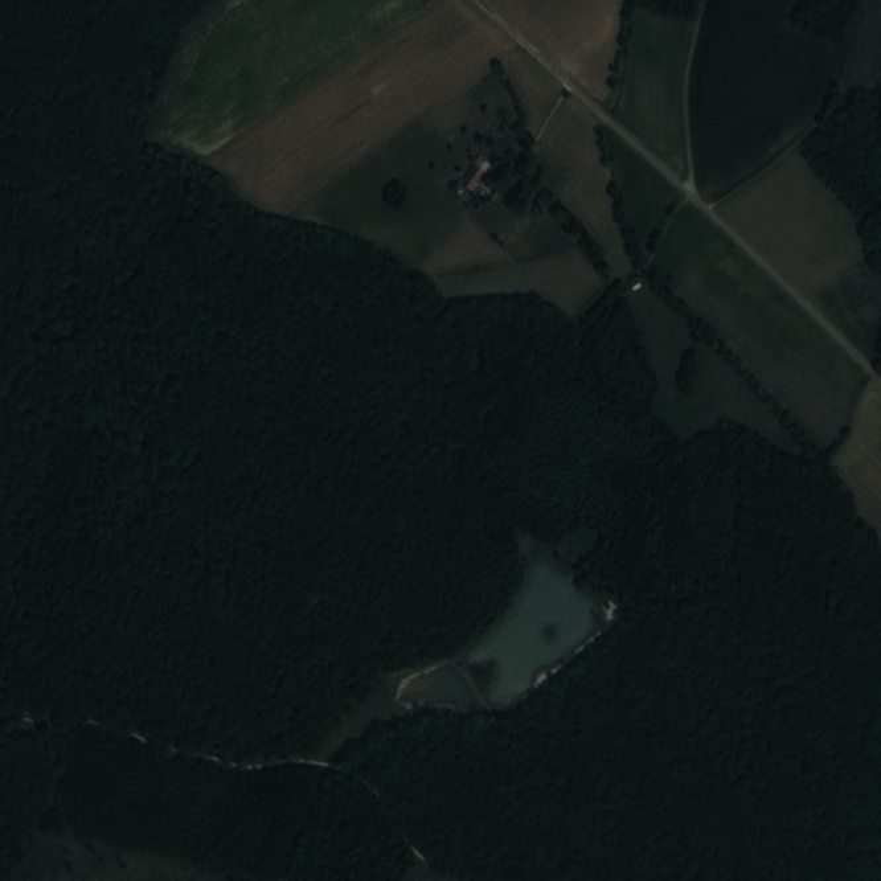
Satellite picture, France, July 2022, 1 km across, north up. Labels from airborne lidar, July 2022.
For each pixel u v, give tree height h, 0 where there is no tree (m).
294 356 15
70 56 24
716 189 0
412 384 25
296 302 19
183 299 19
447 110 0
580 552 0
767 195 0
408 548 25
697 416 0
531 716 21
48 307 27
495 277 0
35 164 24
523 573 19
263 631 24
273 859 6
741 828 20
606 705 20
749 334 0
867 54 0
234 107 0
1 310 20
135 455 13
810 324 0
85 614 20
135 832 7
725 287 0
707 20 0
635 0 13
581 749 19
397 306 22
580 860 26
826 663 22
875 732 22
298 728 18
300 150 0
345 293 24
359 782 16
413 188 0
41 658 22
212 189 18
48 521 24
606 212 0
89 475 22
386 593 24
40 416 22
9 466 24
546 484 7
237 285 26
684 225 0
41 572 26
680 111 0
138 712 27
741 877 21
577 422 11
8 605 22
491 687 0
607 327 19
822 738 22
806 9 21
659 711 18
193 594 19
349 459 20
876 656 24
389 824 18
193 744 22
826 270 0
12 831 24
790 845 22
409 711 0
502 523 21
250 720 21
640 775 18
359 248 16
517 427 15
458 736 22
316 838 17
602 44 0
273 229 21
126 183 20
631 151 0
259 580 23
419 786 18
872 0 0
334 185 0
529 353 25
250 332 22
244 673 20
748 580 21
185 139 0
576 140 0
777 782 18
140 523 22
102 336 21
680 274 0
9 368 21
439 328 17
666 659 22
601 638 12
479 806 19
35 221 20
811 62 0
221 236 20
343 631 20
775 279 0
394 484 19
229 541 21
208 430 19
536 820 17
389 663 15
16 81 23
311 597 18
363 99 0
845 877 21
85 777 6
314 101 0
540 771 18
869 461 0
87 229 22
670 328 0
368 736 17
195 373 22
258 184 0
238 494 23
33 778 23
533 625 0
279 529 18
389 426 25
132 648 21
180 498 23
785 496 20
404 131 0
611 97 0
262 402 20
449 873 19
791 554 27
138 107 17
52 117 20
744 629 22
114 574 18
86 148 20
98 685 20
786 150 0
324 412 22
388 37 0
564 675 16
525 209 23
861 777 24
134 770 9
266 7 0
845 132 17
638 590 25
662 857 19
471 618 18
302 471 24
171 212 20
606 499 16
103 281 21
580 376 13
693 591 11
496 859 19
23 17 19
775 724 17
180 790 8
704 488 15
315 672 13
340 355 24
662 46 0
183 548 23
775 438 0
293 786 10
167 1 21
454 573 20
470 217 0
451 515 18
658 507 15
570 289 0
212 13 0
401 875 7
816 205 0
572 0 0
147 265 23
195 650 22
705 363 0
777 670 21
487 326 19
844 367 0
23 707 19
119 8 20
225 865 12
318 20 0
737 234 0
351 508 25
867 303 0
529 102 0
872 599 26
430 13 0
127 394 28
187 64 0
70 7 23
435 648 17
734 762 20
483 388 23
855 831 21
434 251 0
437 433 21
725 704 20
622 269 0
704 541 13
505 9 0
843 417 0
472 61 0
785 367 0
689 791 17
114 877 0
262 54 0
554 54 0
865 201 17
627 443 13
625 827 18
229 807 11
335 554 19
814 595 23
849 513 16
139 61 23
